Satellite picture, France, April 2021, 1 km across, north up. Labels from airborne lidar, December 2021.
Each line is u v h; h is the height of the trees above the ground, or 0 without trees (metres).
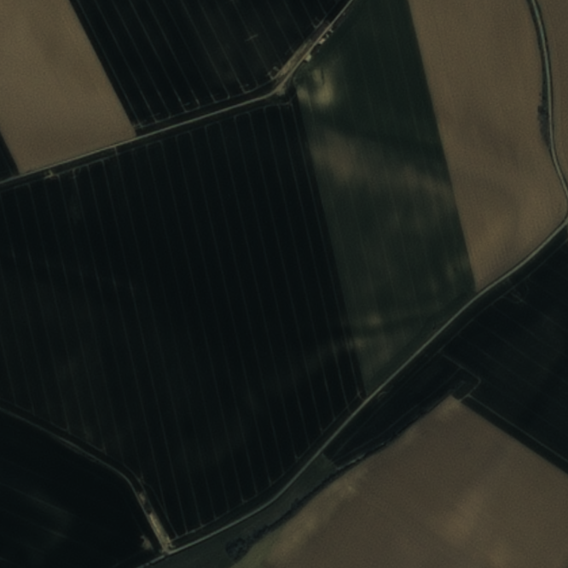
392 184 0
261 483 0
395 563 0
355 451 0
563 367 0
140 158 0
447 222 0
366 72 0
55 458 0
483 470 0
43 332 0
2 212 0
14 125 0
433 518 0
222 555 0
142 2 0
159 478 0
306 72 0
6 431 0
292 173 0
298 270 0
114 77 0
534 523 0
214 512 0
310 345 0
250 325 0
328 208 0
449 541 0
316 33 0
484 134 0
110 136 0
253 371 0
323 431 0
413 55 0
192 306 0
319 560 0
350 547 0
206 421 0
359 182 0
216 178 0
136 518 0
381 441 0
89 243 0
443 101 0
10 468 0
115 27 0
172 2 0
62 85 0
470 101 0
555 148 0
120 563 0
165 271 0
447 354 0
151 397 0
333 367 0
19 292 0
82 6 0
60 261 0
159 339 0
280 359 0
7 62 0
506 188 0
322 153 0
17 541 0
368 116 0
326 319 0
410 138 0
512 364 0
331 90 0
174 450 0
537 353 0
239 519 0
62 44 0
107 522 0
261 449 0
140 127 0
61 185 0
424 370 0
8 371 0
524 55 0
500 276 0
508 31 0
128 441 0
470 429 0
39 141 0
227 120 0
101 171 0
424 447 0
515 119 0
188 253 0
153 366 0
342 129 0
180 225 0
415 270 0
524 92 0
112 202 0
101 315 0
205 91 0
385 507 0
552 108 0
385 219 0
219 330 0
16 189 0
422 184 0
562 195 0
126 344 0
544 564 0
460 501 0
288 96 0
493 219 0
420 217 0
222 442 0
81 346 0
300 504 13
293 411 0
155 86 0
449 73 0
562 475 0
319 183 0
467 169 0
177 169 0
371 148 0
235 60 0
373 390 0
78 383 0
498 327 0
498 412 0
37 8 0
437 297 0
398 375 0
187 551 0
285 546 0
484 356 0
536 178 0
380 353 0
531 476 0
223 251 0
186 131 0
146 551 0
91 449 0
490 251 0
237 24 0
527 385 0
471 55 0
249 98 0
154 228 0
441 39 0
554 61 0
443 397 0
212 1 0
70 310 0
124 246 0
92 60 0
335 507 0
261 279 0
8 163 0
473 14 0
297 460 0
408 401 0
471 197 0
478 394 0
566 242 0
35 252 0
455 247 0
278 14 0
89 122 0
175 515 0
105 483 0
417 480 0
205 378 0
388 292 0
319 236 0
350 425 0
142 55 0
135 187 0
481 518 0
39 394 0
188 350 0
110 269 0
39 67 0
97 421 0
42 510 0
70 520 0
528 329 0
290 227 0
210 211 0
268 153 0
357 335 0
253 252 0
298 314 0
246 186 0
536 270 0
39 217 0
